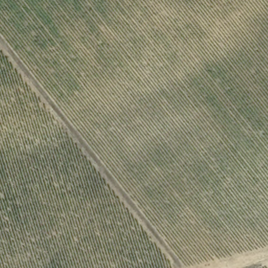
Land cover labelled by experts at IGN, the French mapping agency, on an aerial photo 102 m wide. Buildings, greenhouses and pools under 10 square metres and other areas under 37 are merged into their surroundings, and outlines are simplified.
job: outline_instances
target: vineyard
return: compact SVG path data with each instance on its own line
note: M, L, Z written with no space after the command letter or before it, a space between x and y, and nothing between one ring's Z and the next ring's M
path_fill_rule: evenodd
M220 259L233 253L268 246L268 0L0 0L0 268L185 268L213 261L214 256Z

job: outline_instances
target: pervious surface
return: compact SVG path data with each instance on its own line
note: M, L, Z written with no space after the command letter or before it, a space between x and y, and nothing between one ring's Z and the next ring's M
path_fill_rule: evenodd
M268 268L268 246L233 253L220 259L214 256L213 261L185 268Z

